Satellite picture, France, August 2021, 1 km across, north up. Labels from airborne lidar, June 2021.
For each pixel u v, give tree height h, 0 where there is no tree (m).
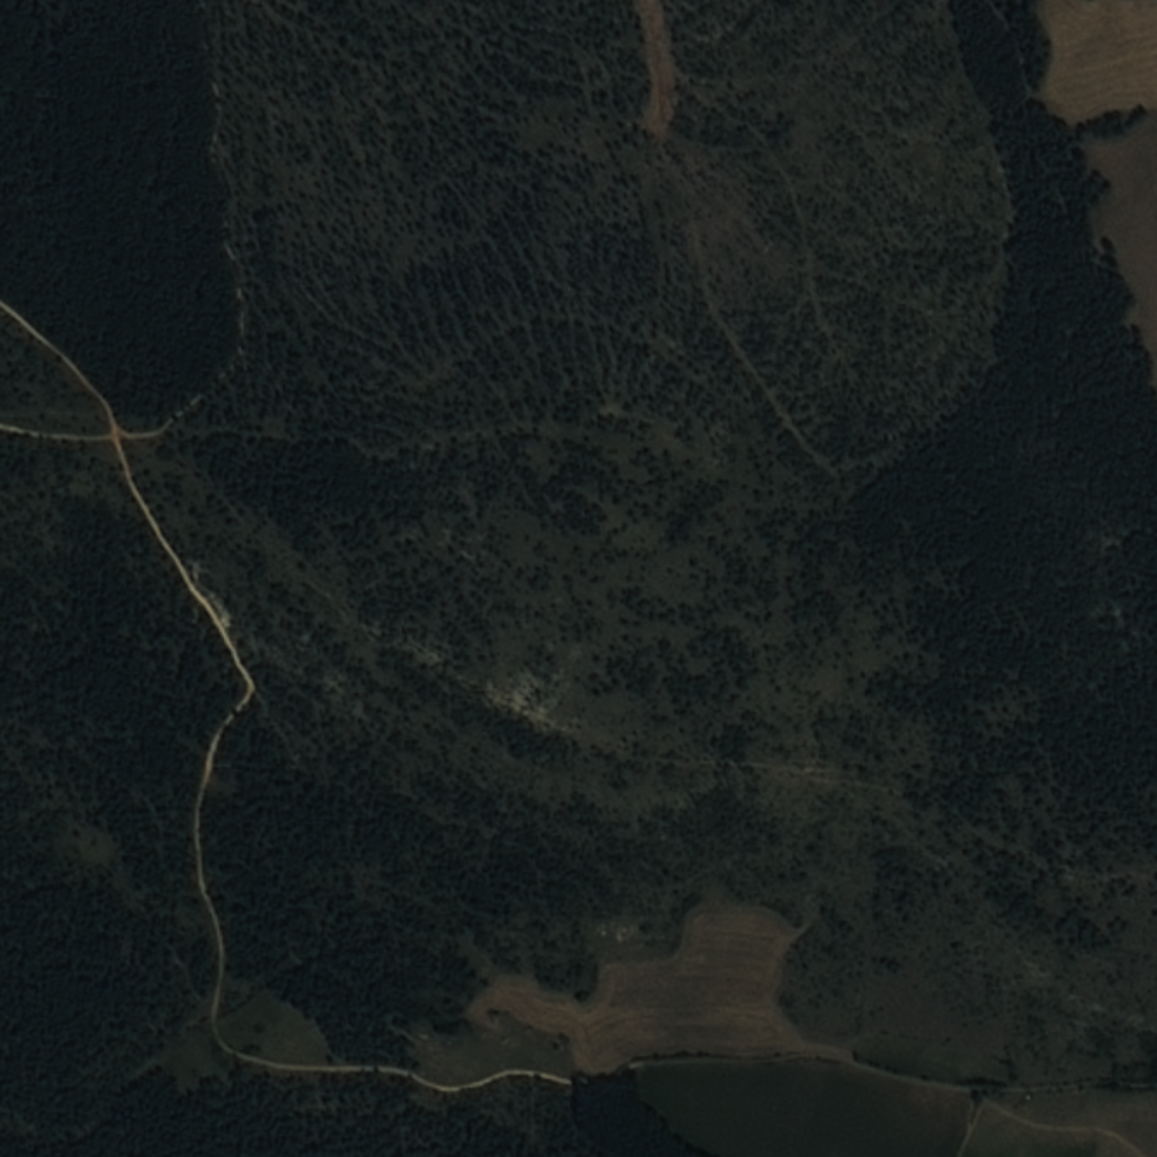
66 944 10
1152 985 0
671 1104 0
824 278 7
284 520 8
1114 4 0
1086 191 10
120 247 13
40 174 13
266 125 10
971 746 8
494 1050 0
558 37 7
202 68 13
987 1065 0
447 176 11
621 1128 18
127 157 12
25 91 13
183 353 12
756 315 8
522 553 0
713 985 0
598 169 8
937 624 7
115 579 7
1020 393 10
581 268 13
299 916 11
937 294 8
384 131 8
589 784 0
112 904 9
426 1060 0
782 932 0
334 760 8
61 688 9
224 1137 6
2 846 6
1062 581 8
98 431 0
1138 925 0
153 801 6
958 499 8
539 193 10
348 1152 9
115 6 12
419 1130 6
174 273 11
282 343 10
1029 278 9
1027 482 10
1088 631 9
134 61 14
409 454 8
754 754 0
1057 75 0
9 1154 7
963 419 8
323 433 11
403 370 11
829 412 7
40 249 10
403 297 12
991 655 9
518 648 0
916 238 7
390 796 6
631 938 0
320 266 11
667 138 0
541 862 6
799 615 7
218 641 7
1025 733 6
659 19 0
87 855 0
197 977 6
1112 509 7
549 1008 0
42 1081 10
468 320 9
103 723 7
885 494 7
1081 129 9
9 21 14
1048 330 9
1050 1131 0
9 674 11
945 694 8
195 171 12
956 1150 0
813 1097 0
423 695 8
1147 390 13
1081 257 10
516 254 10
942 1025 0
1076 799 7
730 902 0
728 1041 0
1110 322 14
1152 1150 0
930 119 9
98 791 7
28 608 6
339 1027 8
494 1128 6
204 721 10
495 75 7
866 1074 0
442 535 0
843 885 0
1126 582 9
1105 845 6
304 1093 6
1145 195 0
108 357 10
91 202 12
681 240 8
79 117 13
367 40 7
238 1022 0
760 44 9
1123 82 0
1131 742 10
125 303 12
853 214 7
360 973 8
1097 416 11
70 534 6
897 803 0
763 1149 0
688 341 8
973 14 10
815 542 7
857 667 0
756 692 0
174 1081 7
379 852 8
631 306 9
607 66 9
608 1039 0
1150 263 0
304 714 6
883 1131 0
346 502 9
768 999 0
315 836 8
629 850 8
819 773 0
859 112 8
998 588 11
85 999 12
